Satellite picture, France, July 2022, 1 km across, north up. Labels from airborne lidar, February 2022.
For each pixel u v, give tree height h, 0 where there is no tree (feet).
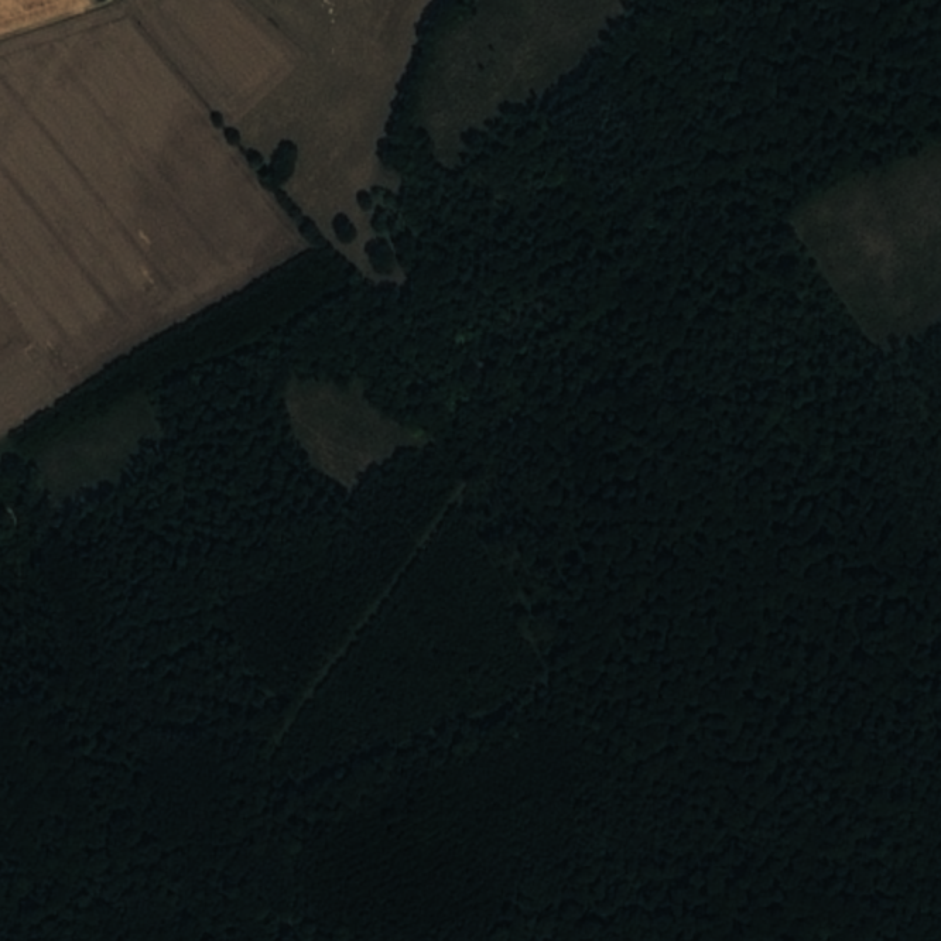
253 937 78
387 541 35
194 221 0
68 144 0
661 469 82
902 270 0
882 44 29
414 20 0
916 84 80
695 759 94
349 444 0
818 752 49
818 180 77
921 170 0
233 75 0
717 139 61
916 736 47
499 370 63
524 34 0
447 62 0
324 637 51
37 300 0
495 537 82
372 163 0
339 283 19
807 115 81
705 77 65
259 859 56
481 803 45
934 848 79
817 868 88
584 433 76
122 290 0
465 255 61
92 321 0
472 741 83
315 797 66
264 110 0
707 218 80
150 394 17
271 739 52
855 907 79
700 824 88
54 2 0
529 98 0
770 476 83
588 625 72
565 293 70
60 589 81
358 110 0
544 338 63
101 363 0
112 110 0
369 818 44
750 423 57
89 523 73
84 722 77
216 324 32
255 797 65
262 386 56
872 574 75
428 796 45
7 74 0
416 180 54
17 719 89
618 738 71
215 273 0
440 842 44
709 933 86
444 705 28
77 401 24
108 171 0
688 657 78
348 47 0
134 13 0
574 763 48
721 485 92
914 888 87
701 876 80
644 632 76
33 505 72
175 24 0
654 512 91
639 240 71
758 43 67
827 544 80
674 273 78
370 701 32
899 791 39
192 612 42
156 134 0
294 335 60
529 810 47
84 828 92
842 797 87
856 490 70
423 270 79
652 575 72
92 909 89
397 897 51
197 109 0
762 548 93
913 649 84
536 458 52
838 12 73
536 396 74
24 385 0
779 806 85
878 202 0
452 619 23
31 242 0
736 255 83
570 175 24
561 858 52
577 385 64
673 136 49
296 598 57
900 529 99
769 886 73
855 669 84
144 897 86
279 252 0
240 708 71
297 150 43
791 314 72
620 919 80
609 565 78
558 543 71
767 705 88
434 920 51
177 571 72
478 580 29
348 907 58
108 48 0
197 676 64
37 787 69
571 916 82
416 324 55
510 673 23
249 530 70
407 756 46
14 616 68
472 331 58
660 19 73
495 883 60
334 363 64
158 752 77
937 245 0
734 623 85
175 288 0
